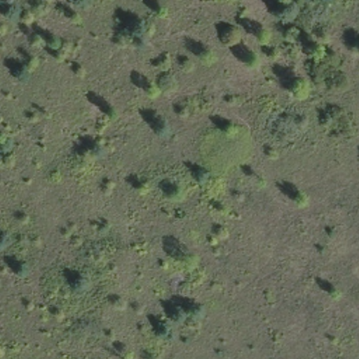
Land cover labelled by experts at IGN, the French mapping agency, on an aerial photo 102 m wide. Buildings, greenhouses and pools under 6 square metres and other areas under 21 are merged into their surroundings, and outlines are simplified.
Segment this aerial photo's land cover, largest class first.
<instances>
[{"label":"herbaceous vegetation","instance_id":"1","mask_svg":"<svg viewBox=\"0 0 359 359\"><path fill-rule=\"evenodd\" d=\"M142 0H73L70 8L74 11V17H66L62 11L52 8L48 15H43L41 20L36 22L39 27L52 32L53 41H60V48L56 49L59 53L57 57L46 52L43 48L45 41L41 36H38L35 42L28 41L27 35L22 34L18 28V22H10L6 14L0 13V133L7 137L6 142L1 144V149L4 153L7 151L8 156L14 154L18 157L13 168H0V359H143L140 358V352L143 349L150 353L156 351L157 339L160 338V335L154 334L147 314L157 316L163 310L160 300L168 299L165 296L167 282L174 278L170 271H164L163 265L157 264L158 258L163 259L164 264L171 258L163 250L164 236H174L178 238L179 244L187 245L191 254L199 257V266L208 278L199 287L185 283L181 296L194 299L199 307L205 306L206 303L219 304V309L203 318L202 328L195 330L194 338L187 342H181L178 338L165 352L164 359H359V50L346 48L342 39V24L325 29L324 35L331 36V43L328 46L345 62V81L341 86L332 87L330 90L325 87V83L314 86L310 81L309 97L303 101L299 100L296 88L286 90L280 87L278 81H266L259 67L254 70L248 69L250 65L241 62L231 53L229 43H222L217 38L216 24L233 20L237 8L245 7L248 0H143L151 10L167 8L168 17L161 18L158 14L153 21L156 34H144L140 45H133L129 36H122L119 43L111 41L114 34L112 15L116 8L132 13ZM185 36L202 42L208 53L195 55L185 48ZM17 46L28 50L32 60L29 66L22 69L21 74L14 77L11 76L8 67L4 66V59H14L18 53ZM132 72L146 76L151 88H160V97L153 100L150 98V88L143 90L135 86L130 81ZM90 91L100 95L111 105V114H104L97 105L87 100ZM327 104H338L341 111L327 119V122L320 123L318 108H324ZM140 109H153L164 122V128L160 132H154L139 114ZM212 115L229 119L230 128H238V135L229 137L227 129H217L210 121ZM81 136H100V142L95 144L93 150L77 154L72 147ZM185 161L198 164L199 167L212 171L216 179H224L227 182L226 194L216 199L222 203V210L209 205L208 189L194 192L184 201L175 203L158 187L163 179L178 185L187 177L191 171L185 167ZM215 223L220 224V230L229 231V238L213 245L212 241L206 240V234Z\"/></svg>","mask_w":359,"mask_h":359},{"label":"coniferous trees","instance_id":"2","mask_svg":"<svg viewBox=\"0 0 359 359\"><path fill-rule=\"evenodd\" d=\"M73 0H0V13L6 14L10 22H18V28L22 34L27 35L28 41L35 42L38 36H41L45 41L43 48L46 52L57 57L59 53L56 49L60 48V41H53L52 32L39 27L36 22L41 20L43 15H48L52 8L62 11L66 17H74V11L70 8ZM158 14L161 18L168 17L167 8L151 10L143 0H142L132 13L116 8L112 15L114 34L111 41L119 43L122 36H129L133 45H140L144 34H156L153 21ZM342 24V39L346 48L359 50V0H248L245 7L237 8L233 20L216 24L217 38L222 43H229L231 53L241 62L250 65L248 69L254 70L259 67L266 81H278L280 87L286 90L296 88L299 100L303 101L309 97L310 81L314 86L325 83V87L330 90L332 87L341 86L345 81V62L328 46L331 43V36L324 35L325 29ZM185 48L195 55L208 53L202 42L185 36ZM18 53L14 59H4V66L8 67L11 76L14 77L21 74L22 69L29 66L32 60L28 50L17 46ZM130 81L135 86L143 90L150 88V98L153 100L160 97V88H151L146 76L132 72ZM87 100L97 105L104 114H111V105L100 95L90 91ZM341 111L338 104H327L324 108H318L320 123L327 122V119ZM139 114L154 132H160L164 128V122L153 109H140ZM210 121L217 129H227L229 137L238 135V128H230L229 119L212 115ZM7 137L0 133V168H13L18 157L14 154L8 156L7 151L4 153L1 149V144L6 142ZM100 142V136H81L72 147L77 154L93 150L95 144ZM185 167L191 171L187 177L178 185L163 179L158 187L175 203L184 201L194 192L208 189L209 205L222 210V203L216 199L226 194L227 182L224 179H216L212 171L199 167L198 164L185 161ZM229 238V231L220 230V224L215 223L206 234V240L212 241L213 245ZM163 250L171 258L164 264L163 259L158 258L157 264L163 265L164 271H170L174 278L167 282L165 296L168 299L160 300L163 310L157 316L147 314L154 334L160 335V338L157 339L156 351L150 353L143 349L140 352V358L143 359H164L165 352L178 338L181 342H187L194 338L195 330L202 328L203 318L219 309V304L206 303L205 306L199 307L194 299L181 296L185 283L199 287L208 278L199 266V257L191 254L187 245L179 244L178 238L174 236H164Z\"/></svg>","mask_w":359,"mask_h":359}]
</instances>
